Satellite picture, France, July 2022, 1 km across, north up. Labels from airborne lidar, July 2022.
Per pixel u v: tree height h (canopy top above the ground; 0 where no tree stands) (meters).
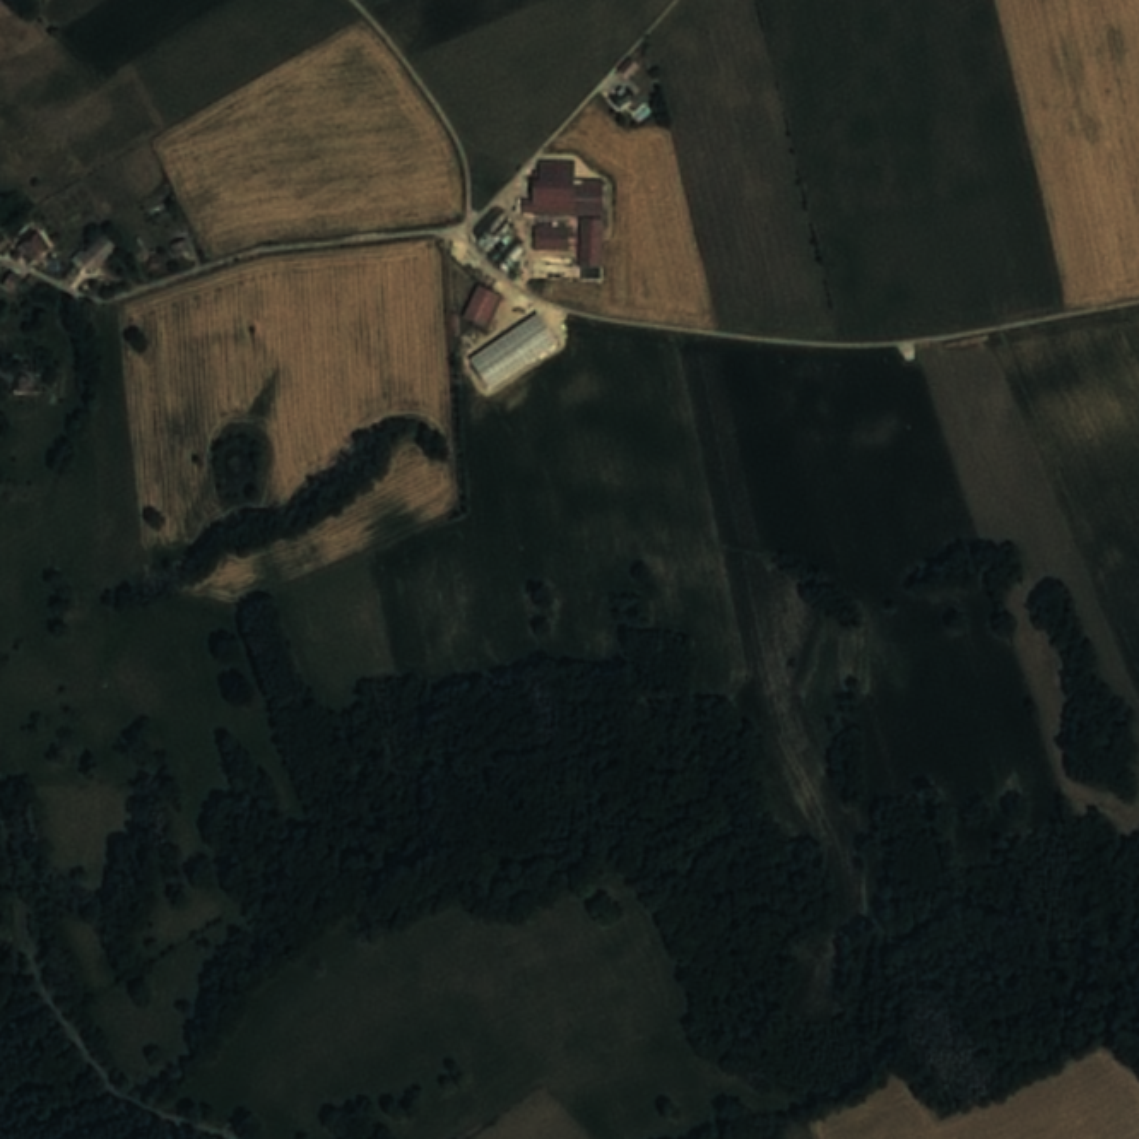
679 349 0
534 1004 0
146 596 21
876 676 0
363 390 0
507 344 0
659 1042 0
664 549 0
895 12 0
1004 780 0
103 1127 24
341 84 0
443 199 0
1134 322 0
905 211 0
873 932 28
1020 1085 19
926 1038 27
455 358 6
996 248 0
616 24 0
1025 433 0
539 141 0
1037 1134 0
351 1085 0
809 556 0
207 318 0
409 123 0
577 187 0
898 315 0
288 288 0
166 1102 14
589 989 0
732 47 0
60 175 0
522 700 24
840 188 0
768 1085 24
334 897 33
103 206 0
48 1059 22
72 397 0
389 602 0
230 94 0
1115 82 0
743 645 0
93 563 0
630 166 0
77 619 0
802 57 0
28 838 29
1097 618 0
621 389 0
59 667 0
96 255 0
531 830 15
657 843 18
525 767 24
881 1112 0
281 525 24
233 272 0
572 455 0
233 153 0
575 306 0
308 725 16
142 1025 0
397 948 0
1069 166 0
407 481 0
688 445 0
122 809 0
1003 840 16
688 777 11
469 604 0
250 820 27
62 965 29
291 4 0
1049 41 0
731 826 8
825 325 0
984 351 0
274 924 20
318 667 0
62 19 0
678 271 0
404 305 0
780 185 0
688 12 0
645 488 0
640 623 13
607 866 20
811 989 0
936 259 0
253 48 0
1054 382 0
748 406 0
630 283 0
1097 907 23
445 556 0
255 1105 0
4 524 0
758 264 0
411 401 0
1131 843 18
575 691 21
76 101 0
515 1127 0
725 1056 13
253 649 21
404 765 9
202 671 0
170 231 0
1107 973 17
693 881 21
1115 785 22
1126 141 0
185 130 0
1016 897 11
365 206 0
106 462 0
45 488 0
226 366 0
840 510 0
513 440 0
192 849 0
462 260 0
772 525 0
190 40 0
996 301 0
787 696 0
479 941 0
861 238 0
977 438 0
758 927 24
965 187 0
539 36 0
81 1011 19
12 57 0
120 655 0
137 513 0
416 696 12
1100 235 0
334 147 0
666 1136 0
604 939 0
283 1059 0
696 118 0
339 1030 0
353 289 0
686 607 0
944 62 0
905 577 0
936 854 14
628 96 0
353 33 0
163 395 0
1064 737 9
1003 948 29
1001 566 22
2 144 0
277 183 0
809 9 0
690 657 15
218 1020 25
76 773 0
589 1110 0
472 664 0
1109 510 0
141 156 0
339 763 12
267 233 0
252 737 0
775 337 0
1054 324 0
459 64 0
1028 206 0
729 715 26
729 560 0
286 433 0
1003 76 0
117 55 0
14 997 23
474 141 0
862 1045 7
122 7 0
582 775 18
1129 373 0
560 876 20
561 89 0
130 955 26
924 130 0
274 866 13
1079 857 16
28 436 0
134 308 0
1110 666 0
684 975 19
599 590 0
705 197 0
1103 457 0
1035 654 0
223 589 0
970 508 0
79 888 30
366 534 0
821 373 0
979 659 0
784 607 0
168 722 0
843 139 0
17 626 0
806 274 0
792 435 0
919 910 26
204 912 0
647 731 10
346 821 16
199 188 0
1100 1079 0
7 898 31
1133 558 0
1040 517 0
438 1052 0
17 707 0
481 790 16
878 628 0
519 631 0
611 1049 0
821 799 0
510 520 0
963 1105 19
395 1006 0
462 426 6
